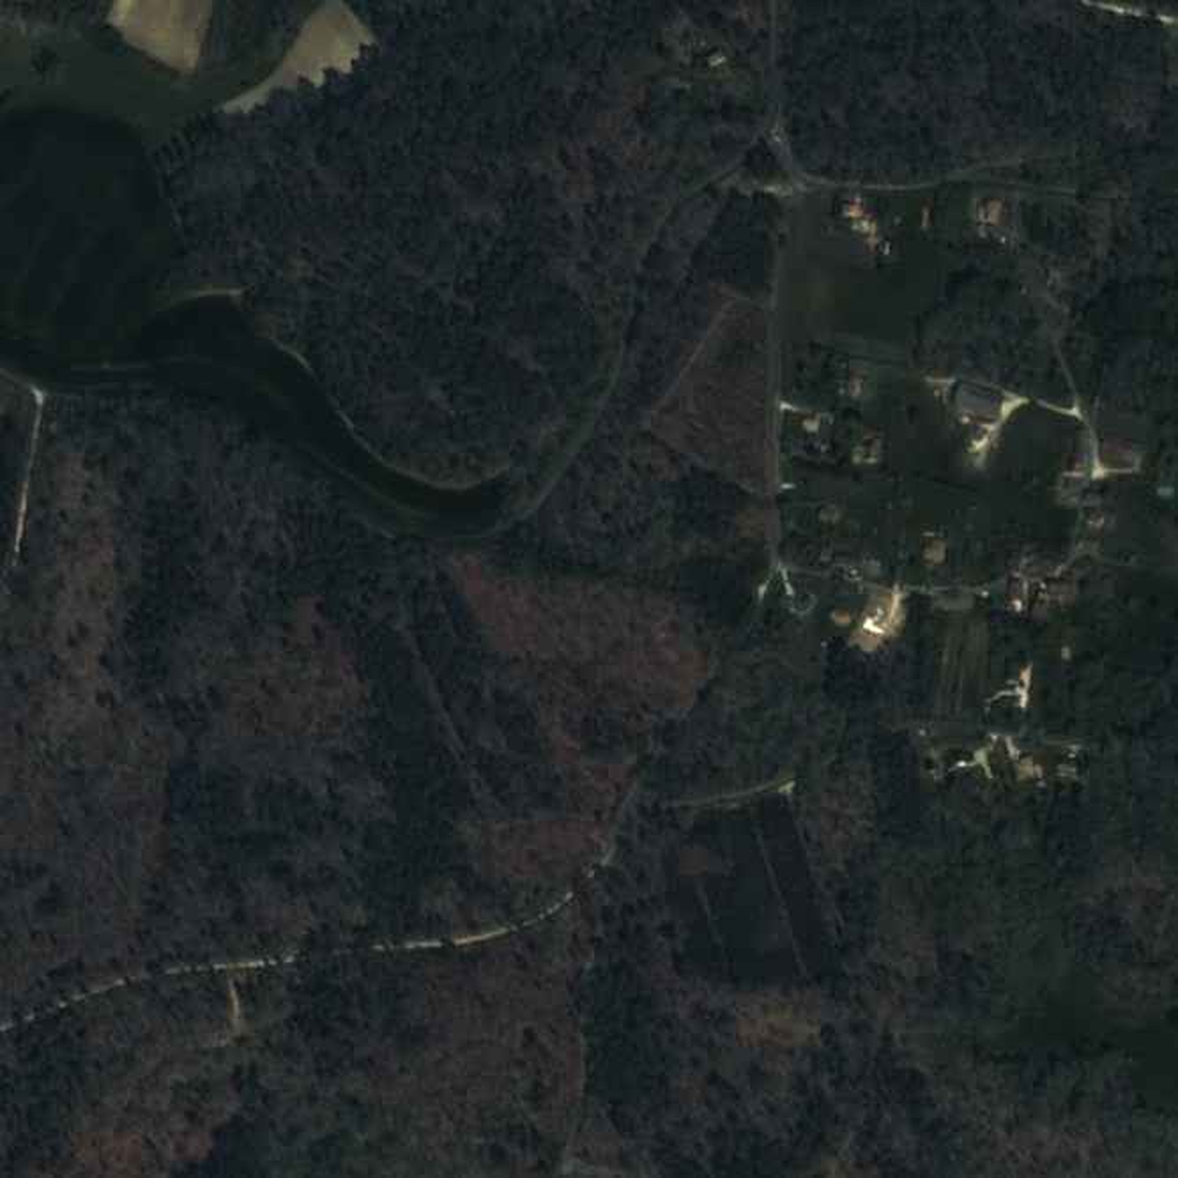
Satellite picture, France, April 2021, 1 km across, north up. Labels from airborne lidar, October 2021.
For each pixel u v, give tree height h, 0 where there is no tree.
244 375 0
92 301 0
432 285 7
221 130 19
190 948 6
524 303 20
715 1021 11
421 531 0
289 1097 8
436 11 25
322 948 22
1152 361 17
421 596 14
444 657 24
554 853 8
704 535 23
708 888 7
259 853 23
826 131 14
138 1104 18
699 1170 18
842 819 8
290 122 22
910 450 0
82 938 7
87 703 14
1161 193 8
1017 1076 14
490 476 16
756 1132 11
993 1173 11
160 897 16
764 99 11
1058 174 24
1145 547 0
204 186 19
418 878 19
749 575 8
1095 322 13
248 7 7
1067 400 0
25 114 0
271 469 16
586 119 22
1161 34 22
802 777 14
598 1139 16
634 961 21
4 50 0
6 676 12
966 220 12
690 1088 8
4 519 19
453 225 26
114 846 12
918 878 15
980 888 16
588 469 16
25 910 9
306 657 14
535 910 12
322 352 26
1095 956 20
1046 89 29
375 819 16
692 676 0
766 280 20
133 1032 10
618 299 15
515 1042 11
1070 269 10
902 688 14
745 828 7
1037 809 10
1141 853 19
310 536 24
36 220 0
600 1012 25
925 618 7
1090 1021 0
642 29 22
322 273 13
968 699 0
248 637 13
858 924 15
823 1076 21
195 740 11
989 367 18
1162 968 9
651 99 11
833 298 0
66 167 0
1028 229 8
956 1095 10
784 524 6
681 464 10
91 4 23
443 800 14
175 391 0
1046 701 12
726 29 20
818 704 16
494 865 12
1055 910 14
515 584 27
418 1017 7
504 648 0
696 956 9
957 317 15
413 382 28
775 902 8
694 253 13
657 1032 28
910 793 20
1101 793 21
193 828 23
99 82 0
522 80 21
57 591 10
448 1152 12
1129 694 10
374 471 0
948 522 0
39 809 8
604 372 18
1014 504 0
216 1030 14
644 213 15
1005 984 17
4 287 0
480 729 24
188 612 16
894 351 0
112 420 12
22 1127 11
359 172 21
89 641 17
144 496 27
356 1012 26
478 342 18
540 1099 12
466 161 25
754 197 0
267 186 26
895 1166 15
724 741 19
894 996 19
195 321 0
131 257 0
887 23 12
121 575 13
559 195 22
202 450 12
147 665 9
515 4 30
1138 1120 17
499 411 24
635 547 11
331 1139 9
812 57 27
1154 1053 0
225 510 8
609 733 6
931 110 17
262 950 7
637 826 11
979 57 29
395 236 28
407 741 18
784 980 8
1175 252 8
